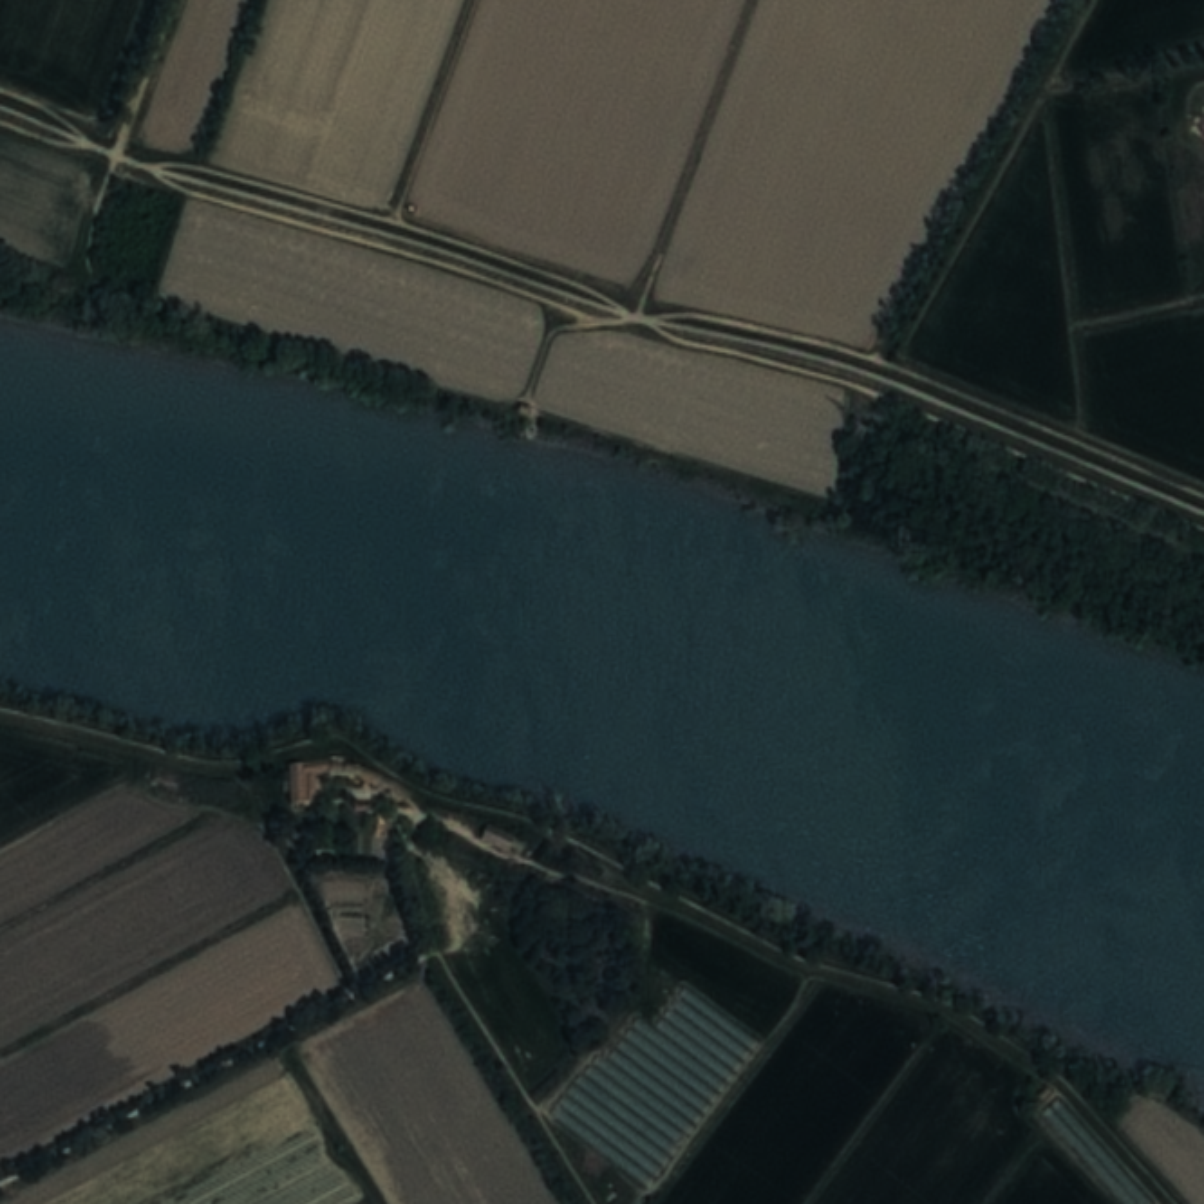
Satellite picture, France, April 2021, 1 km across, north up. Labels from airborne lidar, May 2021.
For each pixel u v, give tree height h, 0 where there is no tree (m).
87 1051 0
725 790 0
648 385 0
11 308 19
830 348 0
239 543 0
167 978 0
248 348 21
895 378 0
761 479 0
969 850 0
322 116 0
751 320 0
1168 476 0
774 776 0
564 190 0
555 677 0
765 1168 0
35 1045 0
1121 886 0
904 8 0
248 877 0
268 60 0
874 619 0
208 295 0
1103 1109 11
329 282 0
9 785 0
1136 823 0
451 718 0
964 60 0
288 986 0
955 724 0
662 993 0
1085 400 0
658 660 0
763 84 0
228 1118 0
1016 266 0
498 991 0
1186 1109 9
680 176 0
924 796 0
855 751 0
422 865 19
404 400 19
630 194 0
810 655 0
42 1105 0
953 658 0
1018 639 0
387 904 0
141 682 0
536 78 0
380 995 15
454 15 0
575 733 0
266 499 0
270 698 0
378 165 0
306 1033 9
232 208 0
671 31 0
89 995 0
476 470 0
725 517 0
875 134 0
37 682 0
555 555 0
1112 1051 0
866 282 0
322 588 0
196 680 0
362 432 0
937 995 12
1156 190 0
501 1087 9
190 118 0
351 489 0
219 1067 9
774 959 0
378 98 0
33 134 0
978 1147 0
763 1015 0
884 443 20
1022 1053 0
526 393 0
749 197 0
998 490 18
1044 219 0
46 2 0
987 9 0
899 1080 0
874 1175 0
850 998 0
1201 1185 0
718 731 0
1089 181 0
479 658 0
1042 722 0
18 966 0
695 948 0
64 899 0
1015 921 0
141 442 0
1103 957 0
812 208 0
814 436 0
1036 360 0
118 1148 0
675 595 0
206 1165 0
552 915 12
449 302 0
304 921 0
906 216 0
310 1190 0
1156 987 0
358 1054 0
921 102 0
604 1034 18
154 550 0
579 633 0
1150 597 12
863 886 0
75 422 0
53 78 0
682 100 0
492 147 0
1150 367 0
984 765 0
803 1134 0
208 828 0
